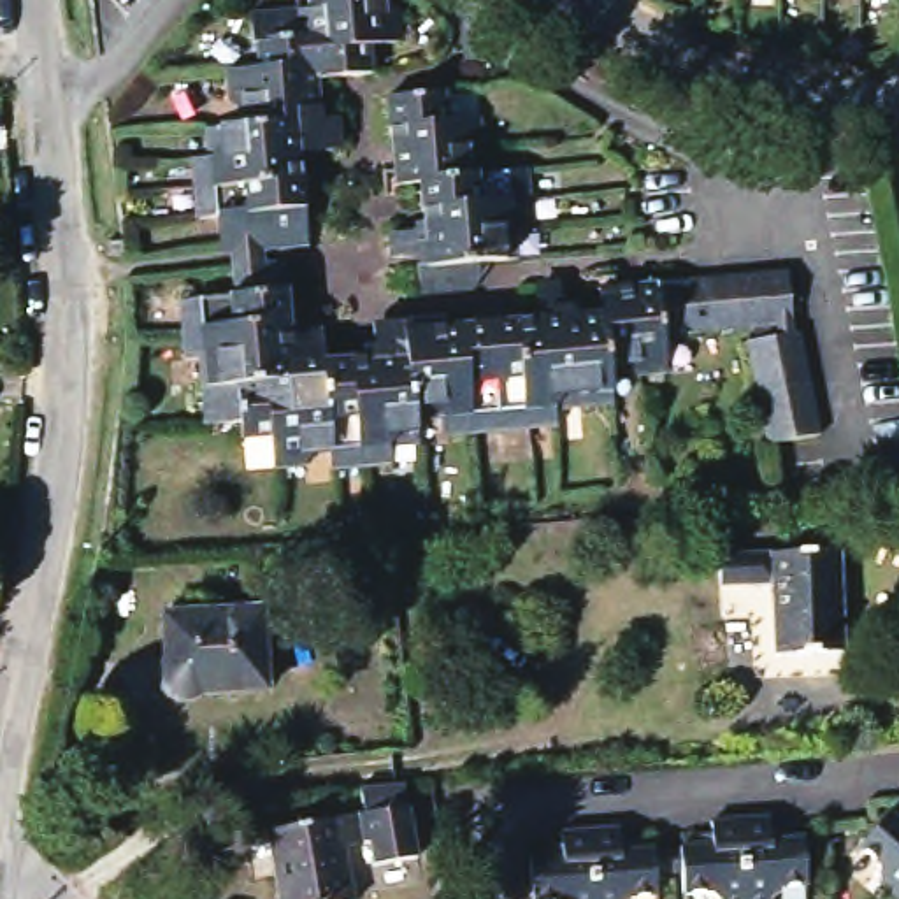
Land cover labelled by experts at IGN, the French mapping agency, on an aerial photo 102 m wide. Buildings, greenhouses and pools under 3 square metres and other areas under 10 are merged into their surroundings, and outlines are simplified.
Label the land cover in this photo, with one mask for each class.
<instances>
[{"label":"building","instance_id":"1","mask_svg":"<svg viewBox=\"0 0 899 899\"><path fill-rule=\"evenodd\" d=\"M239 7L246 11L242 18L253 21L260 35L256 67H242L239 60L228 63L225 81L235 109L214 112V126H207L204 147V158H190L169 169V179H190L193 186L186 193H169L172 207L193 211L197 218L214 228L218 242L221 256H228V291L183 295V309L176 316L179 330L183 348V355H204L200 411L211 425L225 432L242 428L249 435L246 471H249L274 467L277 474H291L309 485L348 478L351 467L407 474L418 457V421L432 428L435 418H446L450 435H488L516 425L537 432L544 421L555 425V418H569V407L611 404L615 397H625L636 390L650 379H674V351L681 348L688 330H737L748 341L755 383L766 386L773 397V418L766 425V435L783 442L794 439L797 428L822 432L832 425L818 330L811 320L808 263L801 256L744 263L678 260H608L611 281L597 284L601 306L593 313L579 309L576 302H562L555 316L513 313L506 320L481 323L471 316L457 320L453 327L414 323L407 330V320H397L386 309L376 323H365L372 330V341L362 351H330L323 327L295 334V284H274L267 291L256 288L249 277L253 267L270 263L274 249L309 246L320 253L323 228L330 183L337 179L341 165L330 158L334 147H351L362 137V98L355 95V84L369 70H383L393 60V39L407 35V0H239ZM464 60V56H450L439 67L407 74L400 81V88L390 95L386 130L400 151V162H376L383 183L390 179L397 186L418 190V225L390 232V242L400 249L407 263L418 270L439 256L513 253L530 235L537 221L541 190L562 186L558 169H541L537 155L516 151H506V140H509V133H513V130L499 123L485 95H471L474 84H460ZM53 530L49 488L28 467L14 481H0V597L14 601L18 586L39 569ZM723 572L730 583L773 586L780 650H801L808 643L839 650L850 639V629L867 601L864 562L850 548H839L829 534H822L815 544L783 551L737 548L723 558ZM162 692L186 709L204 692L256 688L260 681H281V674L295 667V653L281 646V639L270 632L267 608L256 601L246 593L242 601L214 604L207 601L200 579L186 583V590L169 608L165 636L158 639ZM435 825V811L425 794L404 783H376L372 776H362L358 815L316 822L298 818L277 825V839L270 846H256L253 864H246L232 881H225L218 888V899H362L372 878V871L362 860V839L376 846L379 857L421 853ZM825 836L811 829L808 811L790 801H737L727 804L706 825H674L667 818H646L639 811L583 815L579 808L558 836V860L544 871V878L530 885V899H808L804 885L818 878ZM853 878L843 899H899V804L892 811H881V825L871 829L864 839H846Z\"/></svg>","mask_w":899,"mask_h":899},{"label":"impervious surface","instance_id":"2","mask_svg":"<svg viewBox=\"0 0 899 899\"><path fill-rule=\"evenodd\" d=\"M109 7L105 53L84 60L70 49L63 0H0V32H14L21 25L35 42L32 56H11L7 70L0 74V147L18 144L21 162L35 169L21 193H0V274L21 284V298H28V316L42 323V358L28 372L32 397L35 407L25 428L28 467L49 488L53 530L39 569L18 586L14 601L0 597V899H133L116 881V874H123L137 857L151 850V839L144 832H133L112 853H105L84 871H60L46 864L21 829V794L32 773L42 699L53 681V650L63 618L84 474L91 457L102 334L109 327L105 288L126 277L133 267L126 263V246L112 239H102L95 246L91 239L81 155L84 116L98 98H105L133 77L144 56H151L165 70L200 67L207 56L228 63L239 60L242 67H256L260 35L253 21L242 18L214 21L207 32H200L190 21V14L211 11L207 0H102ZM759 11L748 21H741L730 32H713L706 14H660V4L653 0H520L527 14L555 18L562 28L579 35L576 67L583 70V77H576V88H562L558 95L597 119L611 112L625 126L629 144H646L639 225H653L657 232H681L685 246L674 249L678 260L744 263L801 256L808 263L811 320L818 330L832 425L822 432L797 428L794 439L783 442V495L801 499L804 488H822L843 474L871 471L878 464L892 467V474L899 478V362L895 316L878 267L881 246L867 190L836 193L832 172L818 176L815 190H744L723 176H702V169L685 151H678L664 137L667 126L660 119L604 91V81L590 67L608 53L632 56L646 81L667 77L674 84L678 77H713L727 88H762L780 105H801L822 116H836L839 105L874 109L888 123L892 183L899 211V53L888 42H878L874 28H846L839 0H752ZM235 109L225 81L172 88L176 116H193L207 126H214V112ZM362 214L369 221L365 232L344 235L337 228H323L320 253L309 246L274 249L270 263L253 267L249 277L256 288L267 291L274 284H295V334L323 327L330 351H362L372 341V330L365 323H376L386 309L397 320H407V330L414 323L453 327L457 320L471 316L481 323L506 320L513 313L555 316L562 302H576L579 309L593 313L601 306L597 284L611 281L608 260L601 253L548 256L541 249V239L530 235L513 253L439 256L418 270V295L397 298L386 288V274L407 263L400 249L390 242V232L418 225V190L397 186L390 179L383 183V190L362 204ZM492 464L534 460L541 453L544 460L555 457V425L544 421L537 432L516 425L488 435ZM723 625L727 632H741L759 678H822L836 671L843 660L839 650L808 643L801 650H780L773 586L730 583L720 586ZM527 759L520 773L492 787H467L474 794L471 839H478V850L495 867V881L502 888L499 899H530V885L544 878V871L558 860V836L579 808L583 815L639 811L646 818H667L674 825H706L727 804L737 801H790L808 811H822L825 804L864 808L871 797L899 801V744L853 748L846 759H801L787 766L755 762L688 773H639V766L625 773H555L537 766V755L530 752H520ZM362 860L372 871V878L400 885L404 874H418L428 867V857L421 853L379 857L376 846L362 839Z\"/></svg>","mask_w":899,"mask_h":899},{"label":"herbaceous vegetation","instance_id":"3","mask_svg":"<svg viewBox=\"0 0 899 899\"><path fill-rule=\"evenodd\" d=\"M109 7L102 0H63L70 49L84 60L105 53ZM481 14V0H407V35L393 39V60L400 67H411V53L428 46L432 28L439 21L453 28V42L464 56V60H478L485 70L513 67V53L492 56L471 49V28ZM846 28H874L878 42H888L899 53V0H839ZM400 88V81L390 70H369L355 84V95L362 98V137L351 147H334L330 158L341 165L376 162H400V151L386 130L390 95ZM471 95H485L499 123L513 130H565V140H562V144H544V140H530V144H516V151L537 155L541 169H558L562 186L608 183L629 176V165L611 151V130L597 119L558 95L513 81L474 84ZM207 126L193 116H176L172 123L151 126H112L105 98H98L84 116L81 155L91 239L95 246L102 239H112L116 228H123L126 214H169L172 207L169 193L155 207L133 200L123 183V169L116 165V144L140 140L144 147H204ZM137 253H169L218 242L214 228L197 218L193 225H165L140 235ZM228 256H221L133 267L126 277L105 288L109 327L102 334L91 457L84 474L63 618L53 650V681L42 699L32 773L39 776L42 769H56L74 748L84 755V766L95 783H119L123 794H133L144 776L176 769L200 744V737L207 748L218 752L228 741V730L242 720H267L288 713L291 706H316L330 723L358 737H390L386 678H404V664H390L386 643L372 646V657L341 646L320 657H313L309 650L295 653V667L281 674V681H260L256 688L204 692L186 709L162 692L158 639L165 636L169 608L186 590V583L200 579L207 601L214 604L242 601L246 593L239 579L204 576L197 562L137 565L133 576L102 569V541L116 523H123V492H116V453L126 393L133 390L144 404H158L169 390L183 411H200L204 355H183V348H165L158 355L155 348H137L140 330H179L176 316L183 309V295L228 291ZM105 586H116L123 593V629L116 636L112 653L102 664L91 695H112L123 709L126 727L119 734H77V706L84 699L77 692V678L88 674V664L98 650V618L91 615V608L95 593ZM674 379L678 393L671 411L678 418L709 414V407L737 404L748 393V404L759 411L766 425L773 418V397L766 386L755 383L748 341L737 330H688L681 348L674 351ZM629 450H646L650 439L643 421V397L636 390L625 397ZM572 478H604L608 467L618 460L615 446L608 442L611 404L569 407V418ZM249 435L242 428L225 432L211 425L200 435H158L140 450L137 485L158 488L155 506L144 520V534L155 541L235 537L291 534L298 527L316 523L323 537L313 544V551H330L337 562L348 565L351 601L369 608V622L379 632H386L397 615L411 611V604L428 615V629L435 632L450 625H471L478 632V650L502 664L506 678L520 681L523 688H534L551 706V713L541 723L516 720V727L485 734L460 730L453 737H446L442 730H425L421 744L404 752V766L414 769H457L471 755L520 752H530L548 744H586L611 734L706 741L723 748L727 734L734 730V723L727 716L702 720L692 706L699 671H709L716 664L702 650V639L720 632L723 625L720 586L730 583L723 572H713L706 579L692 576L674 586H639L625 572L604 579L590 562L572 558V537L579 534V523H537L530 537L520 544L516 558L506 565L492 583L457 590L446 597L421 583L425 551L435 537H442V527L450 520L446 499L439 492H418L407 474L351 467L348 478L309 485L291 474H277L274 467L249 471L246 502L235 516H204L193 506L197 481L207 478V471H246ZM516 597H548L562 611V657L523 650L520 629L506 618ZM629 622L646 636L639 650V671H650L653 685L632 695V702H611L601 695V678L590 674V664L608 660V653L618 643V632ZM692 492L720 509L713 530L723 558L737 548L783 551L815 544L822 534L801 530L787 541L762 537V520L755 516V509L762 499V478L755 471V460L744 453L702 460L692 474ZM506 478V488L527 492L534 488V460L492 464ZM646 499L636 492L601 499L593 506L597 523H615L618 537H636V523ZM867 601L899 608V551L878 548L874 558L864 562ZM393 766L390 748L365 755H309L306 773L313 776H372ZM442 885L428 874V867L418 874H404L400 885L372 878L362 899H435Z\"/></svg>","mask_w":899,"mask_h":899},{"label":"deciduous trees","instance_id":"4","mask_svg":"<svg viewBox=\"0 0 899 899\"><path fill-rule=\"evenodd\" d=\"M471 49L492 56L513 53V81L558 95L562 88H576V77H583V70L576 67L579 35L562 28L555 18L527 14L520 0H481V14L471 28ZM604 81V91L660 119L667 126L664 137L678 151H685L702 169V176H723L744 190H815L818 176L832 172L836 193L867 190L878 179L892 183L888 123L874 109L839 105L836 116H822L801 105H780L762 88H727L713 77H678L674 84L667 77L646 81L632 56L608 53L590 67ZM28 316V298H21V284L0 274V334H11L18 320ZM755 516L762 520V537L787 541L801 530L822 534H829L839 548H850L864 562L874 558L878 548L899 551V478L892 474V467L878 464L871 471L843 474L822 488H804L801 499L783 495L762 499L755 509ZM720 509L692 492V474L664 488L657 499H646L636 523V537H618L615 523H579V534L572 537V558L590 562L604 579L625 572L639 586H674L692 576L706 579L713 572H723V558L713 530ZM502 541L442 537H435L425 551L421 583L446 597L457 590L492 583L506 565H499ZM256 601L267 608L270 632L281 639V646L295 653L309 650L313 657H320L341 646L372 657V646L386 643L390 664H404V688L421 702L425 730H442L446 737H453L460 730L485 734L516 727V720L541 723L551 713V706L534 688H523L520 681L506 678L502 664L478 650V632L471 625H450L435 632L428 629V615L411 604V611L397 615L386 632H379L369 622V608L351 601L348 565L337 562L330 551H313L298 569H288L277 579H263V593ZM506 618L520 629L523 650L562 657V611L548 597H516ZM843 660L836 671L850 699H878L888 706L899 702V608L867 601L850 629V639L839 650ZM646 636L629 622L618 632V643L608 653V660L590 664V674L601 678V695L611 702H632V695L653 685L650 671H639V650ZM723 664H716L709 671H699L692 706L702 720L727 716L734 723H748L744 706L755 702V695H748L734 681H723ZM330 723L316 706H291L288 713L267 720H242L228 730V741L218 752L207 748L200 737V744L176 769L144 776L133 794H123L119 783H95L84 766V755L74 748L56 769H42L39 776L32 773L21 794V829L46 864L60 871H84L105 853H112L133 832H144L151 839V850L137 857L123 874H116V881L133 899H218V888L225 881H232L246 864H253L256 846H270L277 839V825L298 818L316 822L358 815L362 776H313L306 773L309 755ZM421 853L428 857V874L442 885L435 899H499L502 888L495 881V867L478 850H467L460 843L453 808L435 811V825Z\"/></svg>","mask_w":899,"mask_h":899},{"label":"brushwood","instance_id":"5","mask_svg":"<svg viewBox=\"0 0 899 899\"><path fill-rule=\"evenodd\" d=\"M211 11L190 14V21L200 32H207L214 21L242 18L246 11L239 7V0H207ZM660 4V14H706L713 32H730L741 21H748L759 11L752 0H653ZM450 56H464L453 42V28L439 21L432 28L428 46L411 53V67H400L393 60L383 70H390L400 81L407 74L439 67ZM228 63L207 56L200 67L165 70L151 56H144L133 77L105 98L112 126H151L172 123L176 116L172 88L225 81ZM513 67L485 70L478 60H464L460 84H474L513 81ZM611 130V151L629 165V176L608 183L562 186L541 190L537 221L530 235L541 239V249L548 256L601 253L608 260H678L674 249L685 246L681 232H657L653 225H639L646 144H629L625 126L611 112L597 119ZM530 140H544V144H562V140H565V130H513V133H509V140H506V151H516V144H530ZM190 158H204V147H144L140 140L116 144V165L123 169V183L133 200L155 207L169 193H186L193 186L190 179H169V169ZM35 169L21 162L18 144L0 147V193H21ZM383 190V183L376 162L341 165L337 179L330 183L323 228H337L344 235L365 232L369 221L362 214V204ZM867 190L881 246L878 267L895 316L899 362V211L892 183L878 179ZM197 218L193 211L172 207L169 214H126L123 228H116L112 239L126 246V263L133 267L221 256L218 242L169 253H137L140 235L165 225H193ZM386 288L397 298L418 295V270L407 263L386 274ZM42 358V323L28 316L18 320L11 334H0V383L14 372H28ZM137 348H155L158 355L165 348H183L179 330H140ZM643 397V421L650 439L646 450H629L625 397H615L611 404L608 442L615 446L618 460L608 467L604 478H572L569 418H555V457L544 460L541 453L534 460V488L527 492L506 488V478L492 464L488 435H450L446 418H435L432 428L418 421V457L407 474L418 492H439L446 499L450 520L442 527V537L502 541L499 565H506L516 558L520 544L530 537L537 523H597L593 506L601 499L636 492L646 499H657L664 488L692 474L702 460L744 453L755 460V471L762 478V499L783 495V442L766 435V425L759 411L748 404V393L737 404L709 407V414L678 418L671 411L678 393L674 379H650L636 390ZM211 425L200 411H183L169 390L158 404H144L133 390L126 393L116 453V492H123V523H116L102 541V569L133 576L137 565L197 562L204 576L239 579L246 593L256 601L263 593V579H277L288 569H298L313 551V544L323 537L316 523L298 527L291 534L235 537L155 541L144 534V520L155 506L158 488L137 485L140 450L158 435H200ZM35 407L32 397L18 407L0 400V481H14L28 467L25 428ZM249 471H207V478L197 481L193 506L204 516H235L246 502ZM123 593L116 586H105L95 593L91 608V615L98 618V650L88 664V674L77 678V692L84 699L77 706V734H119L126 727L123 709L112 695H91L102 664L112 653L116 636L123 629ZM390 737H358L330 723L309 755H365L390 748L393 766L372 776L376 783H404L425 794H460L467 787H492L520 773L527 759L520 752L471 755L457 769H414L404 766V752L421 744L425 730L421 702L404 688V678H386ZM899 744V702L888 706L878 699H850L829 720H815L811 737L790 727L762 737L734 730L727 734L723 748L706 741L611 734L586 744H548L530 752L537 755V766L555 773H625L639 766V773H688L755 762L787 766L801 759H846L853 748ZM899 804V801L871 797L864 808L825 804L822 811H808L811 829L825 836L818 878L804 885L808 899H843L853 878L846 839H864L871 829L881 825V811H892Z\"/></svg>","mask_w":899,"mask_h":899},{"label":"pervious surface","instance_id":"6","mask_svg":"<svg viewBox=\"0 0 899 899\"><path fill-rule=\"evenodd\" d=\"M35 42L21 25L14 32H0V74L7 70L11 56H32ZM32 397L28 372H14L0 383V400L18 407ZM702 650L716 664H723V681H734L748 695H755V702L744 706L748 723H734V730L762 737L790 727L811 737L815 720H829L850 699L836 671L822 678H759L741 632H727L723 625L720 632L702 639ZM435 811L453 808L460 843L467 850H478V839H471L474 794L467 787L460 794H425Z\"/></svg>","mask_w":899,"mask_h":899}]
</instances>
